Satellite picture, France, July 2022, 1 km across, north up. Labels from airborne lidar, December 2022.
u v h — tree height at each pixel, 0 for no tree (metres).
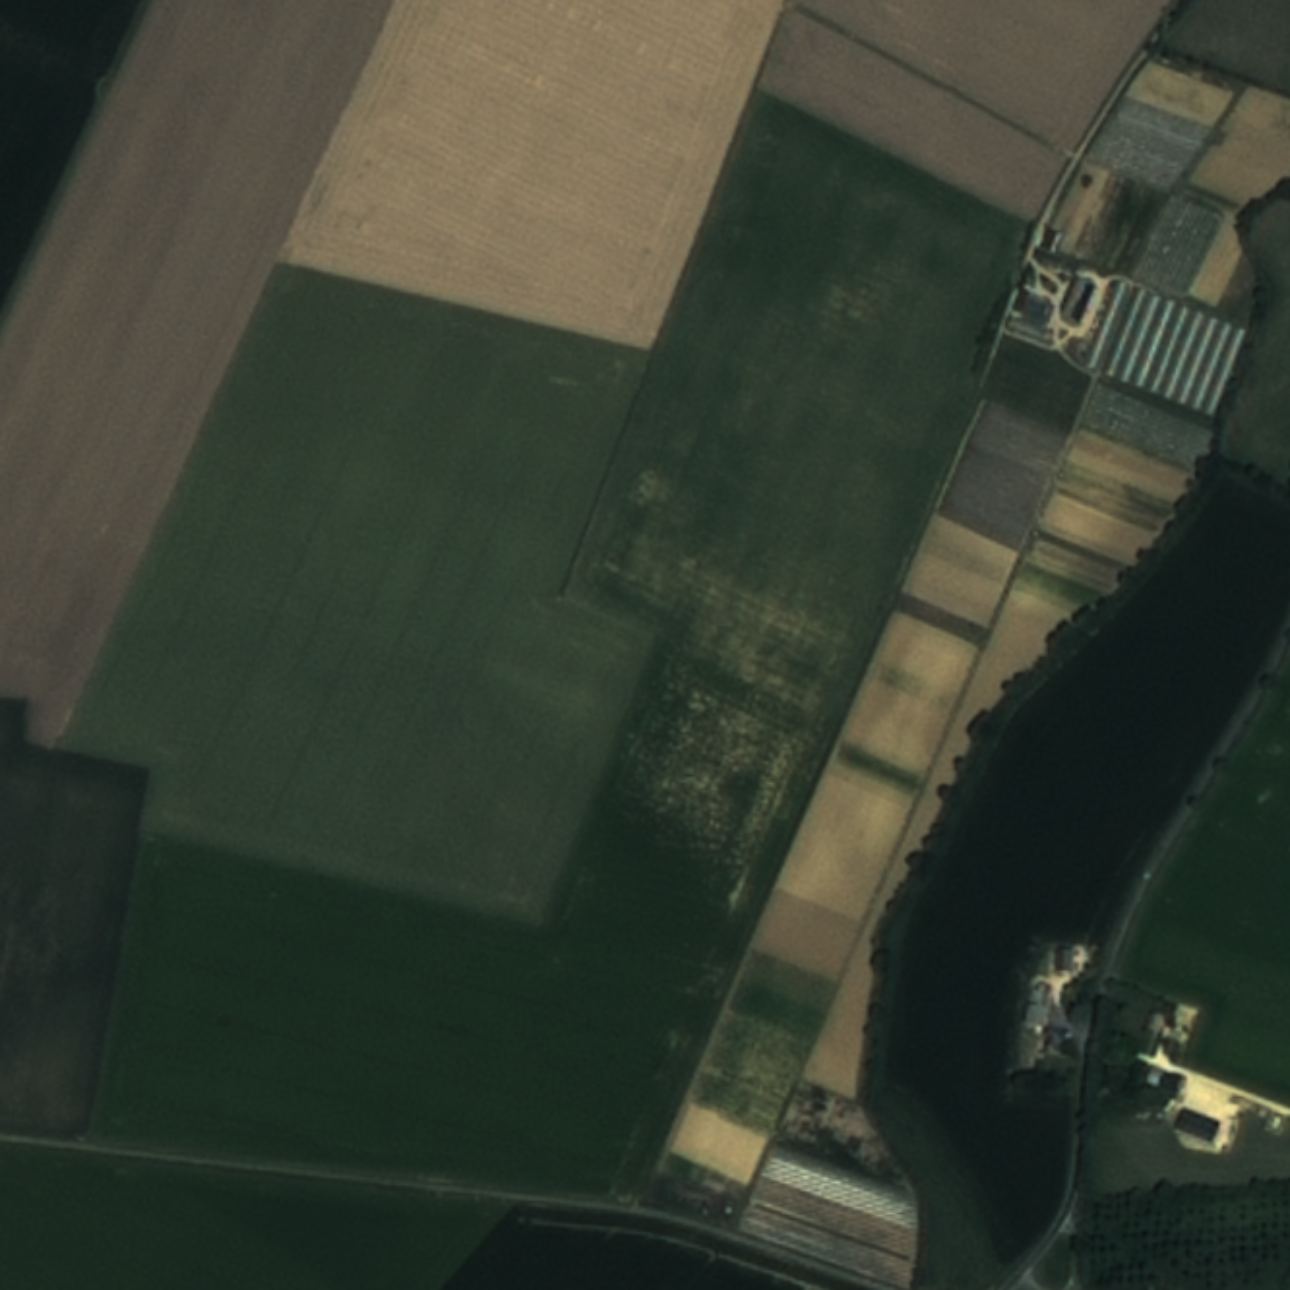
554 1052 0
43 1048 0
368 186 0
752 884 0
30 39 0
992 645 0
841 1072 0
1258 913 0
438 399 0
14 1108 0
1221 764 10
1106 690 0
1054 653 13
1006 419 0
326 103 0
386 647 0
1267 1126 0
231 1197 0
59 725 0
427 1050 0
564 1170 0
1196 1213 9
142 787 0
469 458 0
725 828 0
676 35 0
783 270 0
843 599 0
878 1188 0
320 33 0
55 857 0
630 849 0
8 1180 0
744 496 0
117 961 0
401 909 0
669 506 0
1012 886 0
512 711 0
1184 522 6
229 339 0
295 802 0
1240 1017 0
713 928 0
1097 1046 14
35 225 0
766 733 0
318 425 0
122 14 0
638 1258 0
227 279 0
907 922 0
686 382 0
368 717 0
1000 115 0
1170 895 0
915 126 0
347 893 0
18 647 0
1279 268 0
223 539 0
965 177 0
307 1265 0
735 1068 0
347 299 0
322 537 0
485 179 0
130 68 0
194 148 0
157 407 0
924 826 0
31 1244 0
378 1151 0
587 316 0
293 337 0
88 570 0
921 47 0
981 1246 0
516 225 0
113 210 0
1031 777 0
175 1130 0
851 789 0
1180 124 0
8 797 0
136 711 0
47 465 0
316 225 0
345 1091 0
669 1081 0
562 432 0
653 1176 0
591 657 0
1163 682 0
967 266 0
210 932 0
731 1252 0
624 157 0
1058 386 0
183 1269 0
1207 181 0
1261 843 0
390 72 0
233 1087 0
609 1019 0
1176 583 0
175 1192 0
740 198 0
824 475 0
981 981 0
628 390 0
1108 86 0
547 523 0
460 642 0
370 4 0
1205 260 0
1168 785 0
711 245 0
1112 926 0
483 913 0
